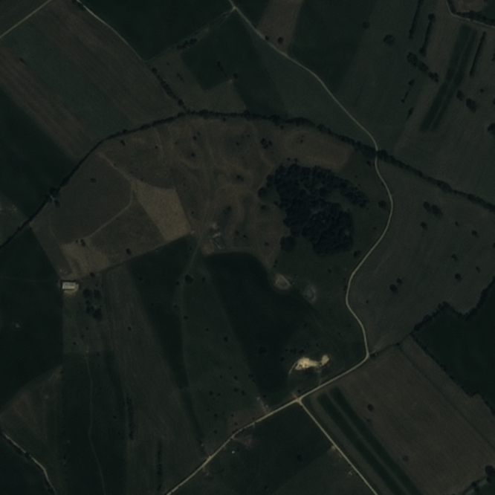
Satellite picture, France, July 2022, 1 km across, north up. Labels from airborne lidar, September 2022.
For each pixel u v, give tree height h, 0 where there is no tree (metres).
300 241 0
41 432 0
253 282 0
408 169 7
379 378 0
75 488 0
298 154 0
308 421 0
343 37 0
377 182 0
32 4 0
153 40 0
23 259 0
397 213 0
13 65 0
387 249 0
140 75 0
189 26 0
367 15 0
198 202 0
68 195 0
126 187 0
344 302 0
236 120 0
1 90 0
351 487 0
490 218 0
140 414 0
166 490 0
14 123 0
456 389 0
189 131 0
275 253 0
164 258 0
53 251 0
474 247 0
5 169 0
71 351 0
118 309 0
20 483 0
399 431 0
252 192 0
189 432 0
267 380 0
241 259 0
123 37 0
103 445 0
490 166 0
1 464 0
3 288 0
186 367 0
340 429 0
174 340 0
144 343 0
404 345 0
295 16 0
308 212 25
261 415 0
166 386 0
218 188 0
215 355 0
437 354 0
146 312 0
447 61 0
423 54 12
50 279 0
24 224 6
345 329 0
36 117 0
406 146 0
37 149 0
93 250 0
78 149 0
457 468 0
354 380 0
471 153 0
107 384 0
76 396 0
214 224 0
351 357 0
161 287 0
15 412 0
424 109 0
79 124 0
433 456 0
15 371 0
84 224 0
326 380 0
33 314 0
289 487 0
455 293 0
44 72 0
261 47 0
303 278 0
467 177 0
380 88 0
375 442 0
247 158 0
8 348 0
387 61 0
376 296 0
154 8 0
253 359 0
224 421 0
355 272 0
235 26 0
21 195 0
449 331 0
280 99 0
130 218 0
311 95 0
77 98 0
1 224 0
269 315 0
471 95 0
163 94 0
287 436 0
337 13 0
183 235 0
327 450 0
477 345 0
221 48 0
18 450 11
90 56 0
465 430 0
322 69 0
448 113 0
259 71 0
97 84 0
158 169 0
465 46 0
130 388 0
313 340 0
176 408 0
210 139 0
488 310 0
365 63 0
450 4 9
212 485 0
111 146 0
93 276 9
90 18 0
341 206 7
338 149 0
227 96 0
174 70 0
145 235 0
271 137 0
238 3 0
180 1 0
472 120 0
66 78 0
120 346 0
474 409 0
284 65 0
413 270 0
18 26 0
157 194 0
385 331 0
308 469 0
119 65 0
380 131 0
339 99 0
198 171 0
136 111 0
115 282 0
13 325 0
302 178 10
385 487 0
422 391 0
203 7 0
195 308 0
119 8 0
